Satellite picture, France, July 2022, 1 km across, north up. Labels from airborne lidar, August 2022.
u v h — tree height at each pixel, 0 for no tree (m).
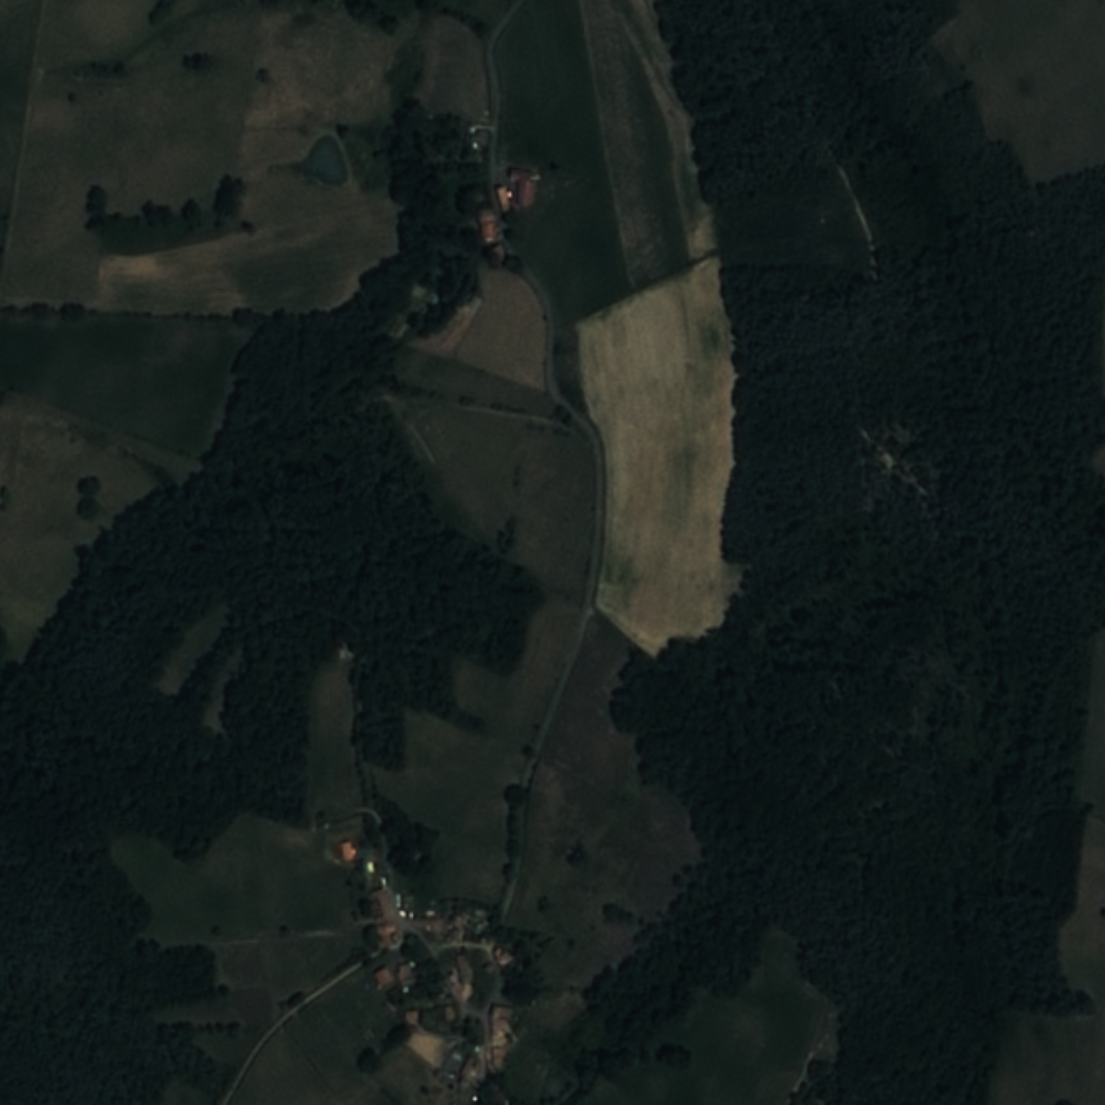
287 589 23
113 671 23
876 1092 16
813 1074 11
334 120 0
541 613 0
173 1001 14
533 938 9
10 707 12
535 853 0
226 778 11
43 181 0
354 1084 0
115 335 0
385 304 22
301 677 11
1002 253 12
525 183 0
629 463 0
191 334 0
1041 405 23
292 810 13
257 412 22
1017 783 24
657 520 0
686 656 18
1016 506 13
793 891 20
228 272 0
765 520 20
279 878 0
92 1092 19
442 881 0
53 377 0
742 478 17
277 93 0
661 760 14
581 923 0
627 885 0
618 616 0
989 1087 14
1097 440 11
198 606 23
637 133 0
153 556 24
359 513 19
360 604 23
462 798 0
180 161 0
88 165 0
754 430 17
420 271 20
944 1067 25
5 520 0
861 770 20
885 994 17
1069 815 7
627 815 0
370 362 18
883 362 10
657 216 0
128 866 0
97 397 0
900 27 8
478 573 20
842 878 22
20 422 0
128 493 0
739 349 17
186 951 8
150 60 0
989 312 18
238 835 0
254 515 22
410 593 22
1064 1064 0
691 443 0
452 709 11
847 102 19
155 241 0
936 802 19
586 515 0
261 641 17
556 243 0
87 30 0
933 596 17
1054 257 10
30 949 19
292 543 23
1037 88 0
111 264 0
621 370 0
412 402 0
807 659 18
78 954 20
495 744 0
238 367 11
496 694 0
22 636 0
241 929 0
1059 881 6
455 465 0
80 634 21
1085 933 0
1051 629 19
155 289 0
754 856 20
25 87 0
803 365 21
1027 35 0
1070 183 11
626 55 0
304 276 0
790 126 22
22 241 0
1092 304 8
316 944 0
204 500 27
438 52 0
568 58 0
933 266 22
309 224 0
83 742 27
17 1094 12
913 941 16
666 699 16
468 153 13
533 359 0
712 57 11
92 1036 17
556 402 0
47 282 0
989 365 24
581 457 0
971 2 0
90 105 0
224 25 0
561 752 0
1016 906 21
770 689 23
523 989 15
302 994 8
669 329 0
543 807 0
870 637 17
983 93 0
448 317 12
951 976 23
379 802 12
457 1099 0
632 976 18
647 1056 15
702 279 0
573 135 0
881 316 13
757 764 21
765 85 17
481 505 0
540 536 0
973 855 25
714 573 0
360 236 0
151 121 0
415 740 0
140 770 22
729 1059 0
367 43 0
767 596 22
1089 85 0
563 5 0
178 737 13
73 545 0
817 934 18
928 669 10
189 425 0
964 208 6
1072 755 15
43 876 18
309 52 0
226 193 19
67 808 15
